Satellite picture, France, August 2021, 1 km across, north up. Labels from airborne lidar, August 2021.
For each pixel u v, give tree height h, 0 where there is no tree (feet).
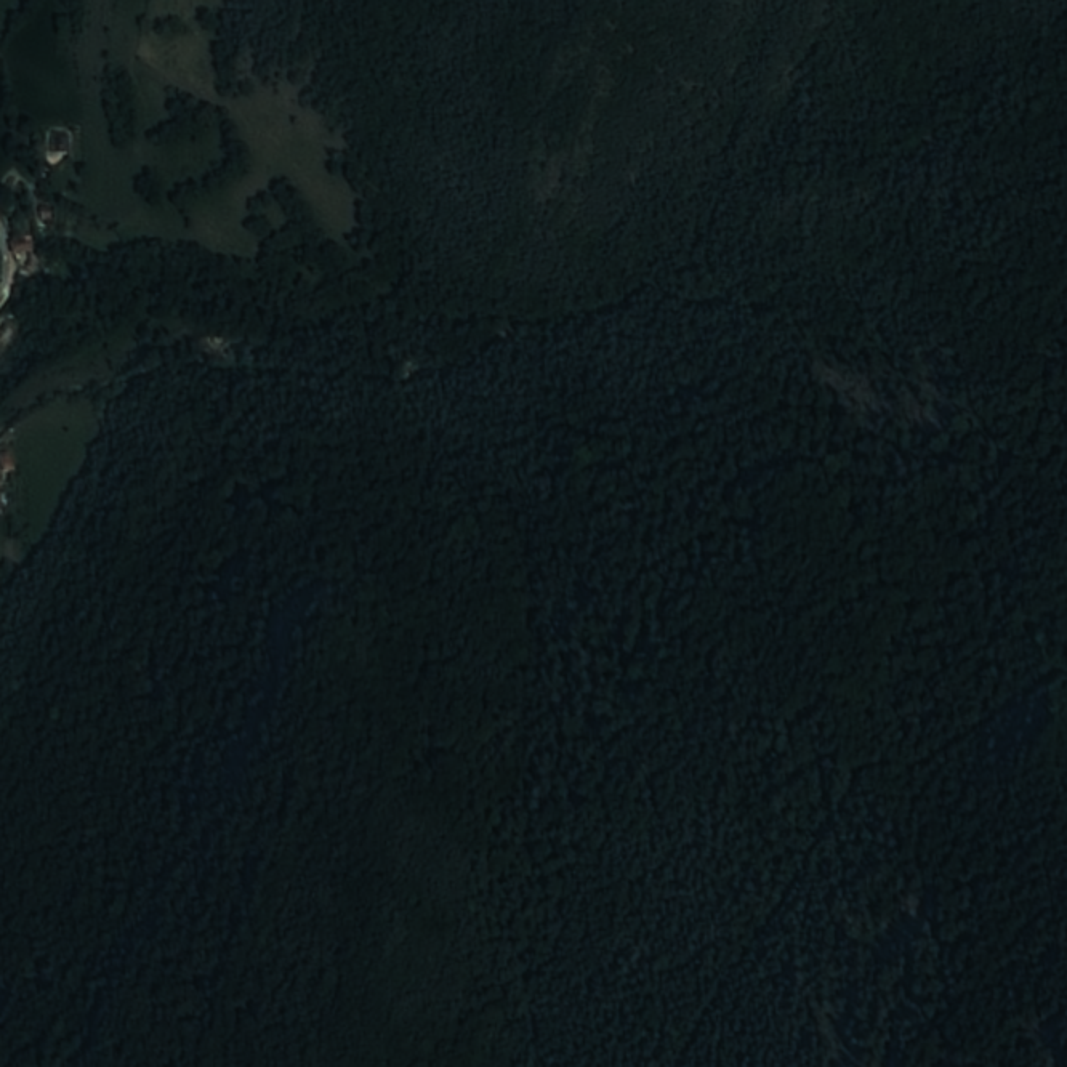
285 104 0
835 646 79
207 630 74
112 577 74
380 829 50
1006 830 91
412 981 44
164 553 67
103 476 31
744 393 60
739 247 62
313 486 83
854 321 60
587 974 61
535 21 47
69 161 17
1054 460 77
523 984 65
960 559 113
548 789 81
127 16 0
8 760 65
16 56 0
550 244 43
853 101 43
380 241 67
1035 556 98
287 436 80
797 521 76
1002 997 78
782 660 69
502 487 60
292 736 73
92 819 53
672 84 45
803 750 79
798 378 65
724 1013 69
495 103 37
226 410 52
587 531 68
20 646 53
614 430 78
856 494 81
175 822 75
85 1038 71
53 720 74
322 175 0
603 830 55
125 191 0
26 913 73
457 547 84
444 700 84
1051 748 62
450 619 88
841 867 62
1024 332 90
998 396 112
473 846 69
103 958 66
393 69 41
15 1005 67
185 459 46
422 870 48
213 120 63
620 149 43
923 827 77
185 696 76
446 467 38
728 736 76
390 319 96
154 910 54
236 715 92
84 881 78
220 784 48
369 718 59
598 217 41
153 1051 82
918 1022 77
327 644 49
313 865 87
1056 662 55
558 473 58
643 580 81
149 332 53
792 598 89
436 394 49
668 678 89
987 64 67
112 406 27
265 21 33
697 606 83
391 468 81
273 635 46
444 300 72
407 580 75
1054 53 86
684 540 82
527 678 98
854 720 72
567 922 64
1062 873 71
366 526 80
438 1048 45
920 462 55
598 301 57
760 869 53
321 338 77
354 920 55
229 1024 84
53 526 31
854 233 59
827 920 71
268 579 67
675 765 64
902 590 69
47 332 44
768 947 71
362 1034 50
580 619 77
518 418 66
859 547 68
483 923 77
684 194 68
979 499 71
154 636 68
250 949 62
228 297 43
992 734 82
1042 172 68
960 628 110
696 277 78
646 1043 50
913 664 67
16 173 0
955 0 62
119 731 56
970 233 113
